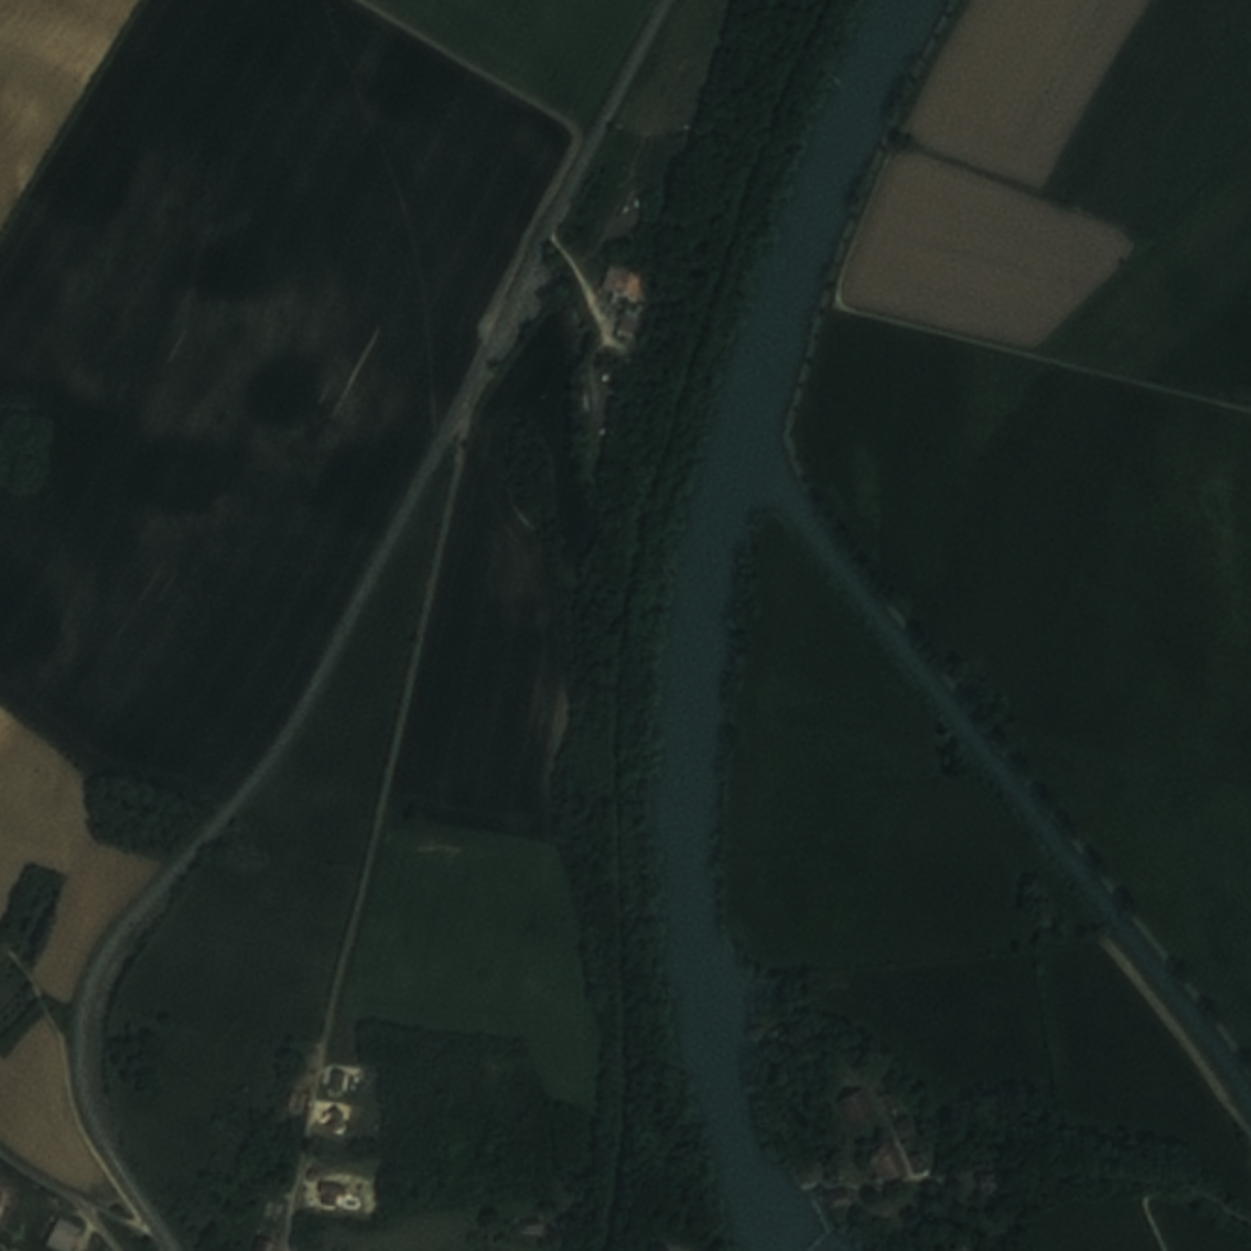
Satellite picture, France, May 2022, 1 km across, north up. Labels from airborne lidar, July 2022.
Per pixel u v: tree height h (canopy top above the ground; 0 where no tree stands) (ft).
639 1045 47
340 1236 0
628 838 26
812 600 0
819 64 71
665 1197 91
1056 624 0
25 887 25
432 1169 35
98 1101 0
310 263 0
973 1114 62
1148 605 0
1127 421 0
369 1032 43
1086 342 0
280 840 0
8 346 0
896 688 0
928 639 57
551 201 0
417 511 0
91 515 0
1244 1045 0
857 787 0
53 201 0
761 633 0
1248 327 0
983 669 0
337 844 0
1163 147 0
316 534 0
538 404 0
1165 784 0
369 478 0
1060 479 0
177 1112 0
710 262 58
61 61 0
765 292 0
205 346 0
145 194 0
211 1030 0
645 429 40
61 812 0
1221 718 0
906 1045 0
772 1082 56
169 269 0
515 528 0
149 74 0
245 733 0
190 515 0
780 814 0
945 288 0
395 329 0
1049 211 0
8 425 54
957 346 0
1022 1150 76
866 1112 0
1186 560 0
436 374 0
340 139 0
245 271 0
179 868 0
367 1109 0
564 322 0
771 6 71
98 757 0
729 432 0
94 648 0
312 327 0
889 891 0
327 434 0
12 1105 0
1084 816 0
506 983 0
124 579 0
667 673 0
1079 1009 0
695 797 0
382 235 0
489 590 0
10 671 0
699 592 0
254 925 0
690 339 53
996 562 0
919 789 0
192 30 0
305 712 0
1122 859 0
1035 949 34
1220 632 0
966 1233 68
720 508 0
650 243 42
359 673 0
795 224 0
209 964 0
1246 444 0
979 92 0
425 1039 22
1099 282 0
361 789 0
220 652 0
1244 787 0
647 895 47
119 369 0
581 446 54
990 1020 0
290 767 0
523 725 0
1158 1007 0
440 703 0
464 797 0
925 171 0
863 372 0
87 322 0
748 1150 0
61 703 0
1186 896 0
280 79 0
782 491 0
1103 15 0
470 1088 19
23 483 70
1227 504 0
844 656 0
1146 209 0
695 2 0
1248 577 0
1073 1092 0
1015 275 0
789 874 0
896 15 0
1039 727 0
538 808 0
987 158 0
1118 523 0
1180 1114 0
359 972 0
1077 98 0
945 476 0
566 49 0
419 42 0
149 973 0
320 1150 40
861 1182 0
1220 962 0
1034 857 0
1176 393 0
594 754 64
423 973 0
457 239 0
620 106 0
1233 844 0
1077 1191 68
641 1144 73
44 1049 0
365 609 0
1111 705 0
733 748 43
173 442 0
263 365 0
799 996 62
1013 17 0
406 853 0
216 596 0
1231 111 0
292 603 0
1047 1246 0
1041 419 0
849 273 0
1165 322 0
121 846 51
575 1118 40
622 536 64
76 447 0
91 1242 0
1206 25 0
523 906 0
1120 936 0
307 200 0
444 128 0
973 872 0
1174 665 0
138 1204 0
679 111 0
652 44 0
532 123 0
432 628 0
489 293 0
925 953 0
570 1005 0
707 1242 53
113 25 0
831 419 0
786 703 0
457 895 0
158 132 0
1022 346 0
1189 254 0
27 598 0
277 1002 0
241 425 0
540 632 0
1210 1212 53
